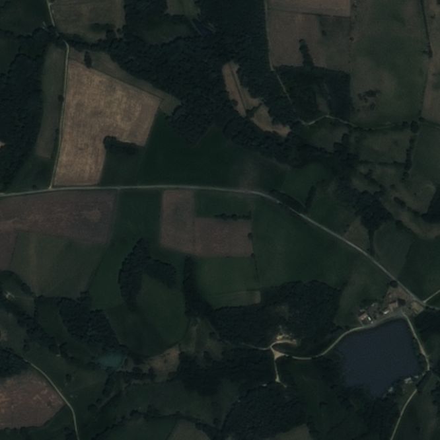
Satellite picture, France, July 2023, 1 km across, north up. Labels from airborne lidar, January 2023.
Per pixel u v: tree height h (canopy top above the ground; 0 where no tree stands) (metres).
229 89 0
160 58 7
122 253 0
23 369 16
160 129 0
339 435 0
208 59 20
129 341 0
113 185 0
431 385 0
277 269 0
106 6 0
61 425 0
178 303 0
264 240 0
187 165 0
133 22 24
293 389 10
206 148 0
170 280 21
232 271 0
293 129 21
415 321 7
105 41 5
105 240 0
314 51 0
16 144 17
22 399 0
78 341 7
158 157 0
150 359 0
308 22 0
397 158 0
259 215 0
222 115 23
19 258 0
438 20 0
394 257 0
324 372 11
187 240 0
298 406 20
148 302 0
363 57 0
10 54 0
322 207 0
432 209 12
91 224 0
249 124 18
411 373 0
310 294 17
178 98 14
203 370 11
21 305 0
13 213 0
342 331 28
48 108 0
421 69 0
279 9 0
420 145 0
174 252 0
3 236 0
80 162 0
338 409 0
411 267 0
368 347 0
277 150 19
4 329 0
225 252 0
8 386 0
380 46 0
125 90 0
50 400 0
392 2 0
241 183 0
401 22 0
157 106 0
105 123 0
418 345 19
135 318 0
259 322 7
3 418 0
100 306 0
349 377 0
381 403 19
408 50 0
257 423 10
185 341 0
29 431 6
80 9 0
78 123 0
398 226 14
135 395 0
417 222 0
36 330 15
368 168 0
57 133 8
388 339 0
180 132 19
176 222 0
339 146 19
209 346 0
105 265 0
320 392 0
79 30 0
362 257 0
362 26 0
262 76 16
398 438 0
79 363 0
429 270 0
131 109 0
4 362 10
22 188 0
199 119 25
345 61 0
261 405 14
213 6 21
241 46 21
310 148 17
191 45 22
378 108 0
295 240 0
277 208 0
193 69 10
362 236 0
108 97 0
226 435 16
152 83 11
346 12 0
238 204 0
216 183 0
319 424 0
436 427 0
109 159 0
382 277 0
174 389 0
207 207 0
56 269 0
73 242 0
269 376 9
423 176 0
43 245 0
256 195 0
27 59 22
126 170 0
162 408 0
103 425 0
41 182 0
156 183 0
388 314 0
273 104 23
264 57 8
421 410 0
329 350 16
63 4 0
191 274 9
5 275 8
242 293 0
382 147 0
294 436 0
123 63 20
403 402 0
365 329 0
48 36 17
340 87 6
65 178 0
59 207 0
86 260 0
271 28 0
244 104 0
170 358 0
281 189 0
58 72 0
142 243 15
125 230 0
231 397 0
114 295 0
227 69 0
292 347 0
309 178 0
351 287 0
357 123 0
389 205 0
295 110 9
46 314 0
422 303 0
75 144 0
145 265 21
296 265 0
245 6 19
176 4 0
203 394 11
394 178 0
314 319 18
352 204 9
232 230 0
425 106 0
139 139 0
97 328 23
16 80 24
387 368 0
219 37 15
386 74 0
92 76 0
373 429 8
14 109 15
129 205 0
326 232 0
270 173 0
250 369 14
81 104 0
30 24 0
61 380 0
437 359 0
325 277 0
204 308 16
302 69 10
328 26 0
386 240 0
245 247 0
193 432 0
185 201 0
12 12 0
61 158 0
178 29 0
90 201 0
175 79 12
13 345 0
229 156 0
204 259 0
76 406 0
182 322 0
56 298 7
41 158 0
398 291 0
